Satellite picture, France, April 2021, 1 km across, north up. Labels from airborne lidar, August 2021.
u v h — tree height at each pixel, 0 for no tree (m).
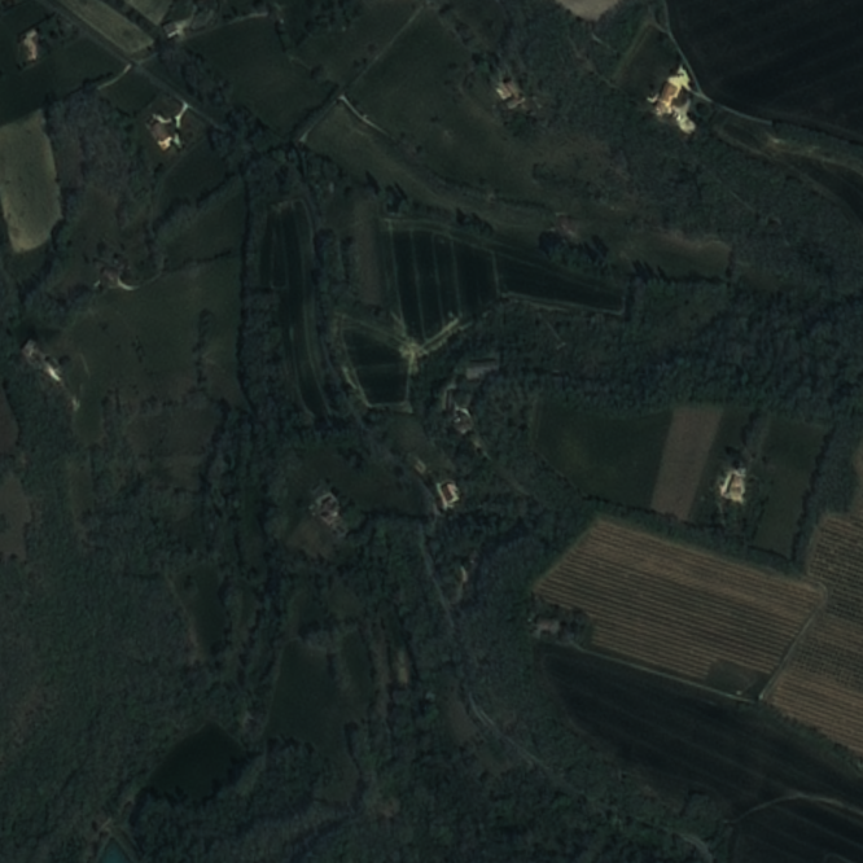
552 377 11
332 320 8
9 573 11
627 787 12
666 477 0
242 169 16
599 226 0
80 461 21
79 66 0
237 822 9
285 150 12
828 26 0
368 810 16
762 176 15
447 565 9
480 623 23
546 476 14
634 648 0
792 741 0
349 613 0
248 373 20
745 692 0
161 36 6
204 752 0
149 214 11
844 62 0
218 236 0
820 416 16
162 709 25
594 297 0
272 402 20
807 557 15
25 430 11
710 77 0
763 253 18
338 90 13
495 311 8
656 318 6
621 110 15
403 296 0
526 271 0
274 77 0
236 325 0
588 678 0
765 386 15
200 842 20
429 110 0
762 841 0
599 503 12
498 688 18
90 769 14
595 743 0
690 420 0
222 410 16
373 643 11
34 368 15
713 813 15
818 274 21
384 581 11
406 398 0
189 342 0
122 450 22
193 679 23
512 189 0
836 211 14
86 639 15
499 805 20
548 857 7
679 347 10
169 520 9
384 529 20
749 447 14
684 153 24
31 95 0
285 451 29
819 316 13
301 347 0
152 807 33
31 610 11
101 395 0
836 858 0
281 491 23
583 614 13
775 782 0
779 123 8
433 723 16
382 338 0
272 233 0
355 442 31
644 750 0
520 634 16
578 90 14
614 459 0
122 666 20
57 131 19
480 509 7
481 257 0
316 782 10
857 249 17
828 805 0
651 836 16
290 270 0
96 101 17
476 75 8
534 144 0
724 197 20
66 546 15
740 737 0
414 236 0
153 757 19
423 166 11
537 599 10
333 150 0
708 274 0
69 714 16
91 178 19
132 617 21
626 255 0
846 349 27
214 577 0
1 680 14
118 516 18
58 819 14
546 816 9
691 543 16
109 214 0
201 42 0
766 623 0
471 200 17
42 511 7
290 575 16
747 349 26
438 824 19
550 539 18
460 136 0
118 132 20
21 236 0
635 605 0
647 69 0
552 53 7
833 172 0
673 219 7
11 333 11
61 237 15
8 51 0
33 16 0
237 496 15
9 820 26
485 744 6
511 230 0
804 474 0
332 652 18
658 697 0
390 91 0
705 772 0
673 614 0
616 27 15
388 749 15
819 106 0
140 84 0
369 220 0
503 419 9
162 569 16
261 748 14
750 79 0
